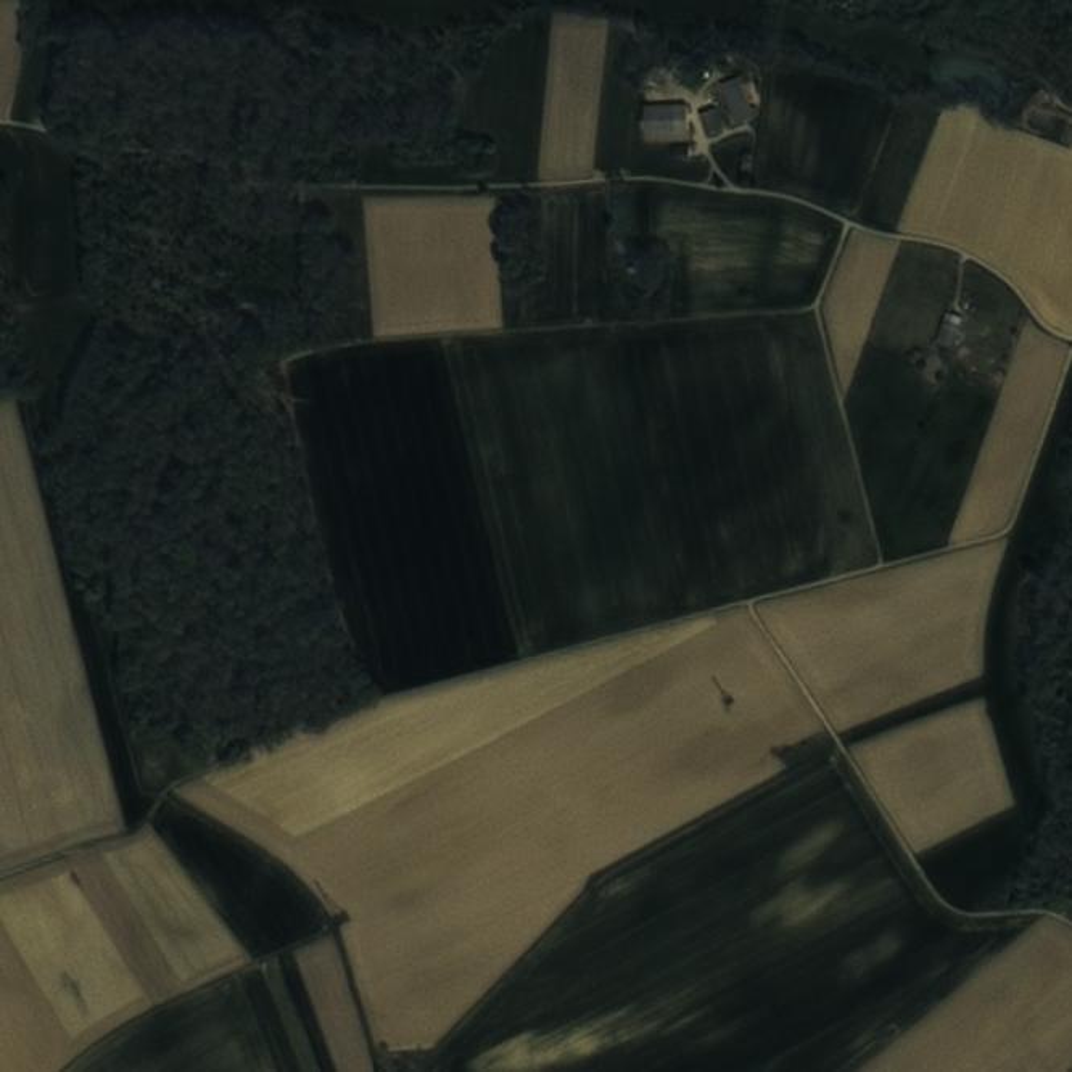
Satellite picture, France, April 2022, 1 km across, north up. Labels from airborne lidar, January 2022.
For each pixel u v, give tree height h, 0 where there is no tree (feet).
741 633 0
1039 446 0
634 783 0
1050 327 0
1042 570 70
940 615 0
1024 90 80
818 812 0
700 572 0
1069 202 0
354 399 0
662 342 0
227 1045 0
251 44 102
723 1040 0
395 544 0
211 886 0
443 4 0
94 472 108
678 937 0
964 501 0
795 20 0
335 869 0
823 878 0
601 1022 0
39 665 0
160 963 0
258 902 0
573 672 0
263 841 0
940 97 55
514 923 0
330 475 0
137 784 0
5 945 0
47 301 0
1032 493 0
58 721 0
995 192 0
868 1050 0
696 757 0
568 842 0
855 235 0
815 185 0
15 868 0
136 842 0
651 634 0
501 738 0
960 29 63
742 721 0
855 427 0
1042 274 0
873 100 0
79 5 0
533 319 0
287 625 121
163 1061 0
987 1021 0
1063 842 79
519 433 0
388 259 0
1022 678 0
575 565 0
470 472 0
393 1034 0
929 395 0
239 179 102
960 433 0
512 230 73
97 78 86
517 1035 0
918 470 0
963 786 0
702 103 0
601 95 0
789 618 0
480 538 0
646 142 0
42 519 0
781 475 0
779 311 0
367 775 0
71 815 0
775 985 0
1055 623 79
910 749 0
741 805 0
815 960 0
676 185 0
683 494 0
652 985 0
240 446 116
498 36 65
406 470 0
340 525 0
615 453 0
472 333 0
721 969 0
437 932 0
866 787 0
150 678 79
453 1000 0
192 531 122
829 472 0
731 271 0
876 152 0
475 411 0
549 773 0
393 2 0
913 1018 0
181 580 121
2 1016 0
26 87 0
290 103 104
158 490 107
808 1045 0
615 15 61
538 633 0
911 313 0
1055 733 71
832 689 0
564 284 0
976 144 0
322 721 94
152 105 73
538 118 0
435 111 89
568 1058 0
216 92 105
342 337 94
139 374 105
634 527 0
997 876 0
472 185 0
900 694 0
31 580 0
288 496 101
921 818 0
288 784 0
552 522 0
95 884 0
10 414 0
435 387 0
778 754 25
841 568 0
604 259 0
